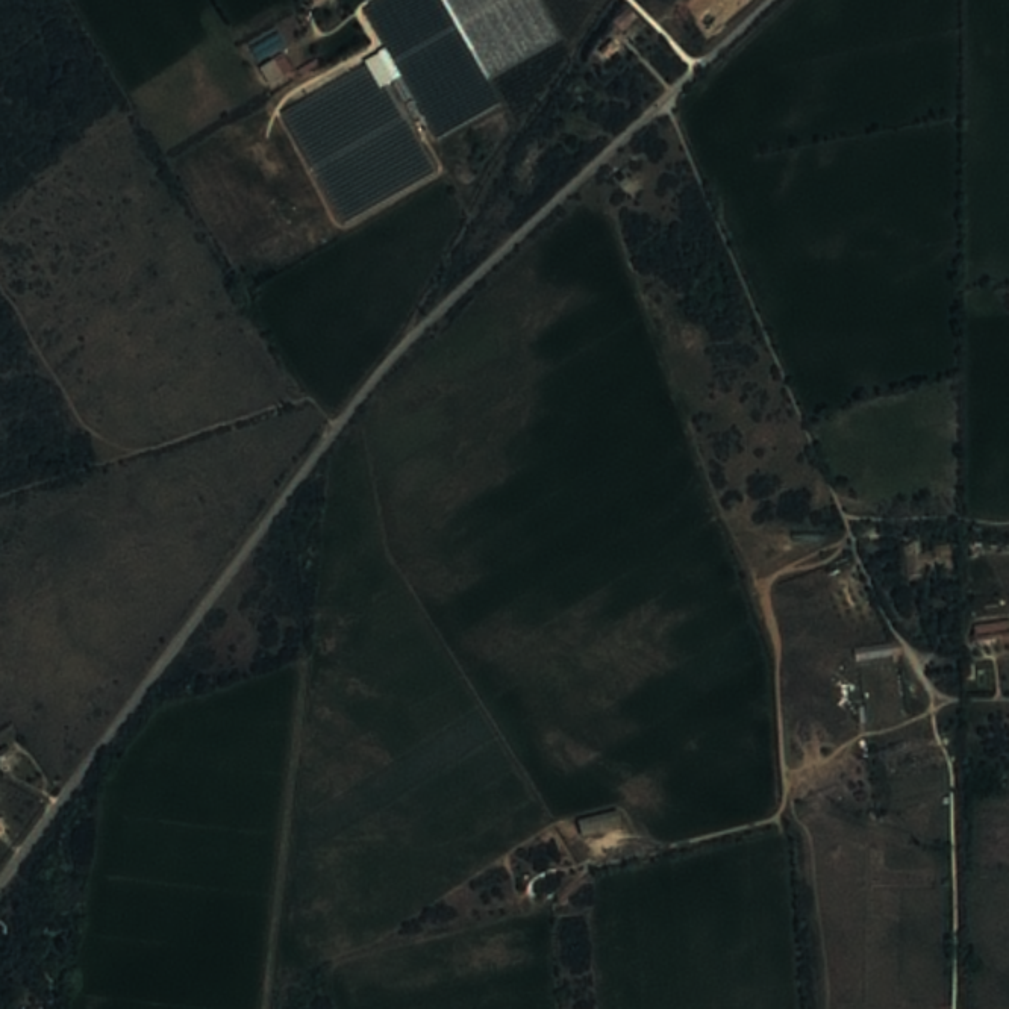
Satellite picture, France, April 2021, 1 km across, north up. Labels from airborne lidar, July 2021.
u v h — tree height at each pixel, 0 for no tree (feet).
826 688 0
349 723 0
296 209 0
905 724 0
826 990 0
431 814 0
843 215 0
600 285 0
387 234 0
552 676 0
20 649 0
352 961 0
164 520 0
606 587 0
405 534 0
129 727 19
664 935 0
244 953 0
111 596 0
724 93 0
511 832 0
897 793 0
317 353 0
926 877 0
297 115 0
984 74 0
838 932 0
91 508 0
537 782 0
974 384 0
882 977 0
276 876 0
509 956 0
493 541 0
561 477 0
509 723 0
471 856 0
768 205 0
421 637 0
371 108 0
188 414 0
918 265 0
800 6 0
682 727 0
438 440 0
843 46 0
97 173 0
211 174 0
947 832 0
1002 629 0
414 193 0
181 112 0
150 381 0
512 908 0
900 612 29
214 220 0
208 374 0
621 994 0
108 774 47
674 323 0
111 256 0
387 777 0
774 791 0
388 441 0
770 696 0
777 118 0
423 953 0
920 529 29
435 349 0
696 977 0
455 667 0
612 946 0
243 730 0
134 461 0
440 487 0
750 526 0
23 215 0
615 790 0
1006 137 0
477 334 0
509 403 0
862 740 0
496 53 0
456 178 0
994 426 0
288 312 0
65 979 30
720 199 36
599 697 0
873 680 0
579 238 0
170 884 0
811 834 0
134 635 0
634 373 0
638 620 0
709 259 20
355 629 0
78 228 0
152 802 0
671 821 0
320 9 26
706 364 0
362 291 0
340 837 0
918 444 0
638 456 0
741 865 0
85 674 0
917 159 0
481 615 0
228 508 0
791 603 0
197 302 0
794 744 0
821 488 0
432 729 0
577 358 0
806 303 0
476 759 0
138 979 0
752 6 0
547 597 0
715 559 0
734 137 0
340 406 0
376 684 0
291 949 0
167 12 0
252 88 0
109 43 0
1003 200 0
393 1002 0
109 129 0
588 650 0
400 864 0
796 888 24
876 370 0
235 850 0
